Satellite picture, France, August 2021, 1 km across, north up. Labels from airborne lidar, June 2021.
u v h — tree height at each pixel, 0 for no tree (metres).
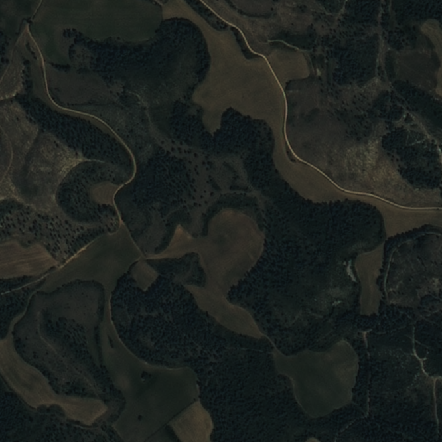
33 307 0
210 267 0
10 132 0
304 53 0
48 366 0
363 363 8
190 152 8
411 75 0
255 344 8
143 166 0
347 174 0
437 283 0
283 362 0
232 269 0
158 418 0
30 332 0
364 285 0
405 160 8
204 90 0
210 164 8
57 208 0
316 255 6
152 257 0
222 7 0
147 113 0
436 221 0
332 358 0
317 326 9
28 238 0
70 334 11
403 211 0
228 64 0
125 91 7
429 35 0
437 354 7
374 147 0
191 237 0
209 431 0
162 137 0
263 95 0
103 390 9
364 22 10
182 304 7
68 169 0
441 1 13
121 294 8
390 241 12
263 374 7
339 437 6
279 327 10
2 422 14
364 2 13
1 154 0
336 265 0
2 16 0
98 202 0
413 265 0
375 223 7
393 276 0
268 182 6
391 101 5
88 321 0
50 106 0
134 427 0
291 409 7
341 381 0
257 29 0
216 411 9
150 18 0
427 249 0
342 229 6
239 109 0
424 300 9
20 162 0
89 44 8
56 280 0
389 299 0
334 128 0
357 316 15
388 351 0
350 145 0
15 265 0
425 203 0
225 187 0
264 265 11
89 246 0
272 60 0
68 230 11
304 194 0
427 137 0
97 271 0
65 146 0
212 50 0
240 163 0
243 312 0
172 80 0
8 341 0
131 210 0
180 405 0
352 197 0
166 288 11
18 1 0
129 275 9
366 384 6
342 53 13
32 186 0
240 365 7
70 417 0
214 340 12
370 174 0
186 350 10
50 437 7
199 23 0
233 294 13
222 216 0
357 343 6
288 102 0
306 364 0
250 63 0
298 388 0
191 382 0
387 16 14
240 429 7
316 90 0
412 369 0
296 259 7
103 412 0
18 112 0
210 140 17
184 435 0
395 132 7
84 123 13
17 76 0
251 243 0
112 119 0
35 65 0
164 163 16
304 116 0
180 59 0
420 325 11
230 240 0
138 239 0
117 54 14
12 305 14
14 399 14
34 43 0
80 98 0
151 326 7
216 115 0
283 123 0
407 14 9
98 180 9
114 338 0
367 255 0
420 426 14
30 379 0
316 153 0
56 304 0
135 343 13
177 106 11
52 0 0
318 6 0
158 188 11
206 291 0
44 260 0
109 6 0
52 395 0
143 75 0
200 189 0
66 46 0
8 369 0
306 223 7
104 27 0
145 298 13
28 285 0
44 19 0
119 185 0
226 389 7
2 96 0
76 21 0
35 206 0
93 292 0
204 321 12
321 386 0
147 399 0
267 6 0
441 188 9
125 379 0
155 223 0
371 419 11
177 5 0
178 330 9
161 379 0
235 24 0
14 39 0
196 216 0
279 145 0
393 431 12
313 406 0
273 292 0
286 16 0
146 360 14
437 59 0
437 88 0
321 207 11
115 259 0
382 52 0
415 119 0
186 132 8
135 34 0
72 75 0
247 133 13
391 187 0
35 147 0
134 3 0
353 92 0
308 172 0
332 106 0
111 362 0
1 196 0
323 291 0
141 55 14
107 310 0
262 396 7
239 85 0
